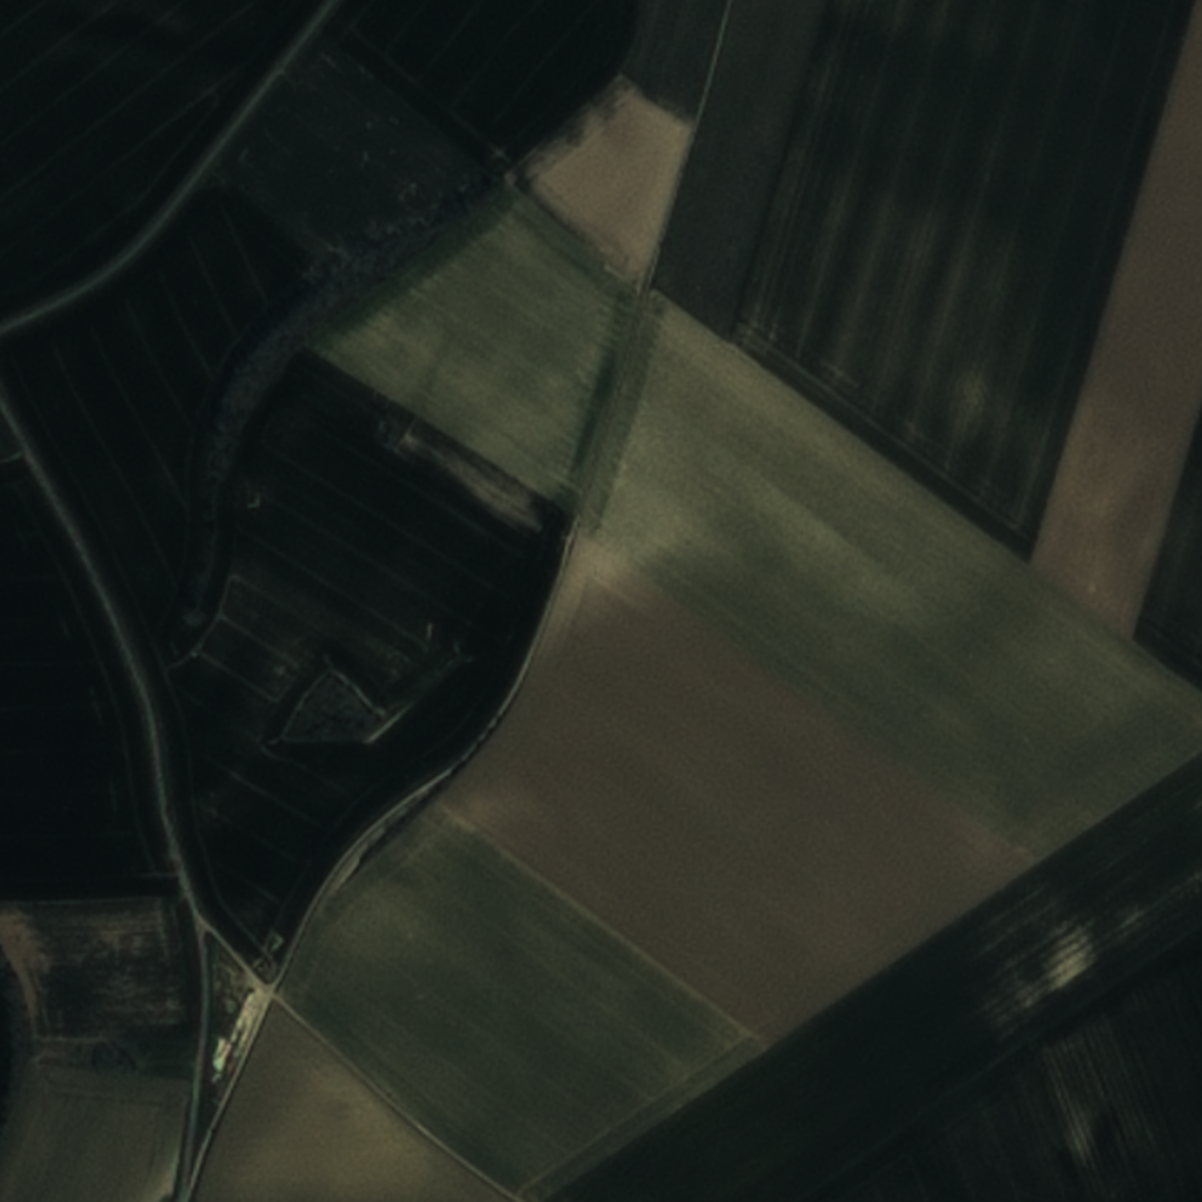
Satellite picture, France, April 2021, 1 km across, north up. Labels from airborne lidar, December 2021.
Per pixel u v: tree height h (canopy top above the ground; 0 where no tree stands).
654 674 0
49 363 0
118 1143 0
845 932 0
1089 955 0
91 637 0
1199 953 0
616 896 0
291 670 0
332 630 0
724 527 0
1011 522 0
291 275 0
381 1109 0
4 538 0
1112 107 0
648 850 0
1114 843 0
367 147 0
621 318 0
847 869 0
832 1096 0
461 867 0
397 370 0
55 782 0
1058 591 0
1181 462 0
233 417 20
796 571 0
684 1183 0
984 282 0
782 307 0
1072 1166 0
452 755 0
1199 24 0
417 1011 0
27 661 0
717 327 0
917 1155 0
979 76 0
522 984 0
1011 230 0
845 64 0
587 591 0
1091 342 0
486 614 0
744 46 0
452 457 0
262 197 0
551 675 0
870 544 0
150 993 0
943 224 0
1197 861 0
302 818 0
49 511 0
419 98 0
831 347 0
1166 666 0
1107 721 0
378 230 0
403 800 0
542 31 0
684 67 0
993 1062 0
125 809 0
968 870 0
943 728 0
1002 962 0
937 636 0
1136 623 0
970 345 0
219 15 0
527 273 0
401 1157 0
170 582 0
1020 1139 0
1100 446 0
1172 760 0
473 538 0
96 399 0
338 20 0
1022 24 0
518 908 0
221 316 0
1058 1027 0
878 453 0
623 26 0
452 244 0
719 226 0
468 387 0
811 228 0
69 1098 0
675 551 0
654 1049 0
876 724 0
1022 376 0
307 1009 0
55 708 0
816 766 0
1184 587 0
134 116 0
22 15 0
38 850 0
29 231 0
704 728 0
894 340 0
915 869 0
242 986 0
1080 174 0
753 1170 0
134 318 0
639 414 0
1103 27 0
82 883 0
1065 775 0
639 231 0
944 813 0
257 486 0
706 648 0
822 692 0
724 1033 0
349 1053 0
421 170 0
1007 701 0
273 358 15
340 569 0
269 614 0
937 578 0
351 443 0
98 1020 0
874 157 0
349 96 0
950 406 0
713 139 0
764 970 0
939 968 0
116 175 0
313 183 0
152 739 0
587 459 0
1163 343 0
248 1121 0
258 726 0
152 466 0
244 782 0
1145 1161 0
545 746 0
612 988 0
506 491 0
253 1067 0
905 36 0
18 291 0
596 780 0
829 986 0
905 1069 0
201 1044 0
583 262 0
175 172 0
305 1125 0
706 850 0
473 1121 0
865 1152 0
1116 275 0
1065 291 0
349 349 0
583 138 0
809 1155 0
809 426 0
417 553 0
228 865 0
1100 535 0
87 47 0
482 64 0
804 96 0
